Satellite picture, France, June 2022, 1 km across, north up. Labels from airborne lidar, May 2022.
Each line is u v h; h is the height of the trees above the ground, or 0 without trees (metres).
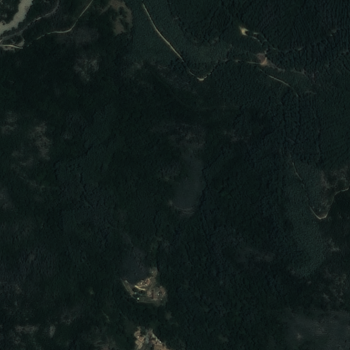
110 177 10
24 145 7
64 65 20
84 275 14
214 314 15
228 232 27
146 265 10
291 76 9
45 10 9
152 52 10
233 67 27
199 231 16
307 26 26
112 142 25
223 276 22
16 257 18
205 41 12
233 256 10
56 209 9
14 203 14
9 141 8
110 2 0
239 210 18
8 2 7
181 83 8
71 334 12
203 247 18
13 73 17
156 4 10
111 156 7
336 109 29
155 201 21
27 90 19
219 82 12
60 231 13
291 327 0
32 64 17
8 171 14
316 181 8
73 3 14
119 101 18
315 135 23
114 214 8
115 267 22
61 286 17
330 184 9
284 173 11
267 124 22
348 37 28
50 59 18
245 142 10
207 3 27
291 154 8
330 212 12
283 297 14
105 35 16
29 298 12
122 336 7
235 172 13
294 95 16
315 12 25
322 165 16
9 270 19
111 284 14
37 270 16
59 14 11
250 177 19
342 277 8
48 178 12
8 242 16
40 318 18
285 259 16
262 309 10
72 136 11
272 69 11
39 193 7
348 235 17
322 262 7
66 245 19
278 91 16
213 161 20
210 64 13
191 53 9
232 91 25
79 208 12
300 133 26
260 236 13
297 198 12
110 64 16
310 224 9
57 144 11
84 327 16
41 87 21
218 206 22
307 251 12
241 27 0
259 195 17
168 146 8
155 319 24
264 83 16
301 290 12
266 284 14
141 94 21
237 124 18
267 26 15
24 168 9
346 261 22
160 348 0
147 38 8
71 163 32
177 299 17
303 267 13
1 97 9
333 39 11
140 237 18
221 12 11
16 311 7
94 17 11
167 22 11
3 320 13
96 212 31
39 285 12
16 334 9
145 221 17
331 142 18
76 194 22
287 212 12
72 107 23
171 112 13
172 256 18
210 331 14
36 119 6
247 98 26
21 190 14
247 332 11
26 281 12
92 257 17
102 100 20
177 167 21
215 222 23
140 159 27
